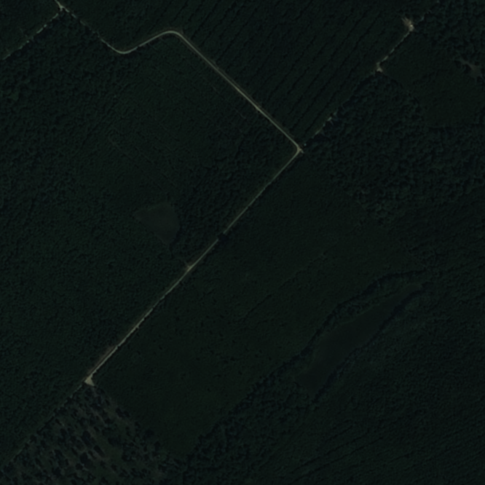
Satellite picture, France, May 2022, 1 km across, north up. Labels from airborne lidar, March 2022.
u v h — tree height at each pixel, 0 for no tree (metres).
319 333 19
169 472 24
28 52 23
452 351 19
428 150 14
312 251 0
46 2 23
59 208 12
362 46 14
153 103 12
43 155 18
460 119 9
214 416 7
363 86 19
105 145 10
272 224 0
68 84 26
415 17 22
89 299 14
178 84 11
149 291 13
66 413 20
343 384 9
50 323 15
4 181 25
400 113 26
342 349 0
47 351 14
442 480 18
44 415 15
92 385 0
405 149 30
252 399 22
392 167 26
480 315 18
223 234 0
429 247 9
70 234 13
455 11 27
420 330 19
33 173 18
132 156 10
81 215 15
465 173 30
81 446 24
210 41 17
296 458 13
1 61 21
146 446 26
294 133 14
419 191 23
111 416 0
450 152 28
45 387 11
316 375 0
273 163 18
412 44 10
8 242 17
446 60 13
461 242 17
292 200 9
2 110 26
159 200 14
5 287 14
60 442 20
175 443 7
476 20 32
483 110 19
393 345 17
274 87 0
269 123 19
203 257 0
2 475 18
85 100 24
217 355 7
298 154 0
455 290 17
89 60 28
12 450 7
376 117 26
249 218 8
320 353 0
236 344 7
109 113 10
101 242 13
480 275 0
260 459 22
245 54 0
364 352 13
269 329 7
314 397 0
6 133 29
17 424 11
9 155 25
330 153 13
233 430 26
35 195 10
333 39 20
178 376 8
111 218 11
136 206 10
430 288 24
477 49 19
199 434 7
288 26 18
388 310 0
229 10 0
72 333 15
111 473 0
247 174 23
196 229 22
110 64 22
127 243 14
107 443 0
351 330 0
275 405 25
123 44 16
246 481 16
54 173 9
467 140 28
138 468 0
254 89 0
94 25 14
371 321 0
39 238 13
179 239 16
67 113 23
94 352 10
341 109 22
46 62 28
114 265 15
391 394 19
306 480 6
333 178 14
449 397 21
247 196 22
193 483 25
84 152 10
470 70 20
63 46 28
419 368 18
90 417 20
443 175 27
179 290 7
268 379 23
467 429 16
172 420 6
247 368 6
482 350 21
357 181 23
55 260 15
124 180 12
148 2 22
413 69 7
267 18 0
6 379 15
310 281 8
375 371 16
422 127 27
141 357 6
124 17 20
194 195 15
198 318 7
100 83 24
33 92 24
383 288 20
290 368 21
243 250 0
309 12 18
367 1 20
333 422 9
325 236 14
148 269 14
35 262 15
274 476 12
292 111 0
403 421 20
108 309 13
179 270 15
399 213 15
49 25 19
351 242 6
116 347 0
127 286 14
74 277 14
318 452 9
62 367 17
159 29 12
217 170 18
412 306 16
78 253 14
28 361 15
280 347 8
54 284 15
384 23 17
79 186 13
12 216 18
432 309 16
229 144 17
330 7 18
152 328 7
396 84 23
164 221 0
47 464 0
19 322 14
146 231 13
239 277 15
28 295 16
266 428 25
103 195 12
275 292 6
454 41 29
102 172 10
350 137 28
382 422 19
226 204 27
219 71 0
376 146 26
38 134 23
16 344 19
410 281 15
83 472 28
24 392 15
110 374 6
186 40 0
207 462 26
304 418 24
